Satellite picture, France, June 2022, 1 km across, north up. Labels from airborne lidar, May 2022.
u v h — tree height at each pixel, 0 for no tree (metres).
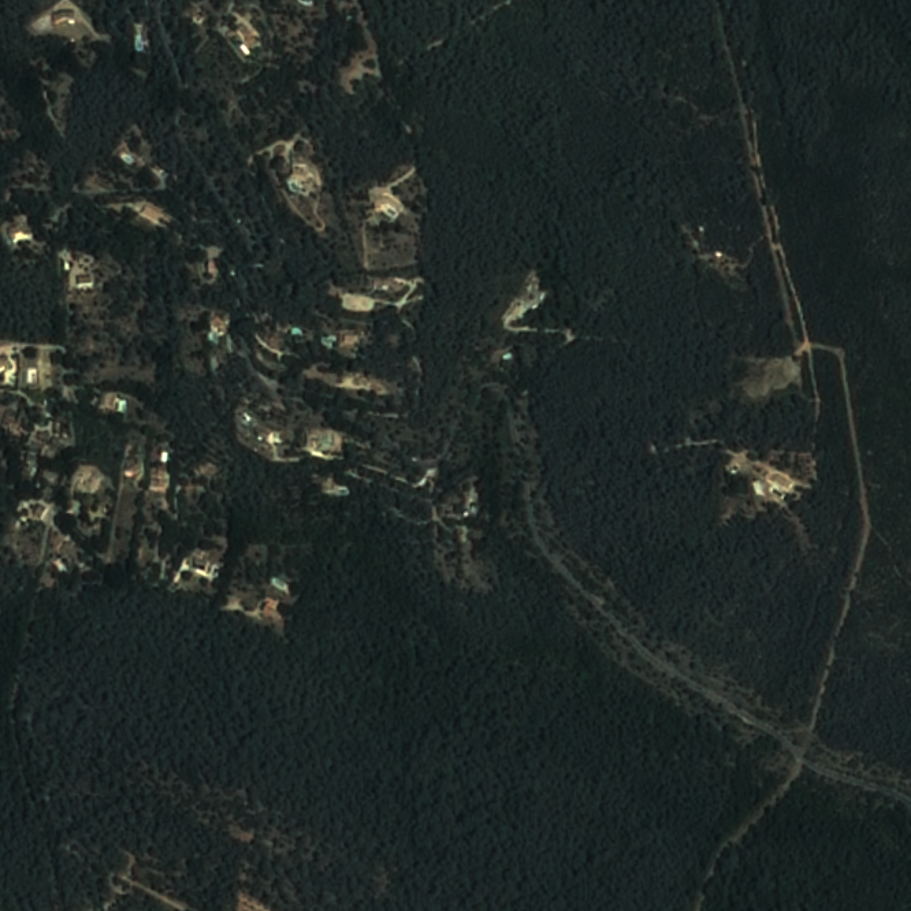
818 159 6
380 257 0
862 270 6
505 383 10
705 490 17
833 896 25
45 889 17
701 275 17
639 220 10
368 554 12
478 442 15
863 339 7
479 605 18
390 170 18
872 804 12
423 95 11
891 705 9
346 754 20
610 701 6
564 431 18
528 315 9
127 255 14
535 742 19
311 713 14
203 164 9
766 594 13
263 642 6
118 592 11
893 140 9
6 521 15
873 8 6
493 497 14
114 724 17
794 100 18
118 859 23
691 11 18
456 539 10
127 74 14
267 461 13
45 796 19
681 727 15
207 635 17
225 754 17
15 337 7
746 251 6
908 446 8
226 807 5
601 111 12
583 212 20
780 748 8
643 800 16
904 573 6
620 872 19
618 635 6
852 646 10
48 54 11
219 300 17
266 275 17
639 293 15
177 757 16
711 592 11
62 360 10
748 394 0
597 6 18
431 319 17
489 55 16
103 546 13
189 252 11
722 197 6
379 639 18
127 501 0
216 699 19
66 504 9
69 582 13
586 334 7
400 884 5
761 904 12
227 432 15
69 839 20
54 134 19
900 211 7
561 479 15
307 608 20
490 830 25
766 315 9
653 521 17
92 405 8
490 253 24
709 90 7
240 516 12
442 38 19
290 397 11
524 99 21
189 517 6
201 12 6
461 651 12
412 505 13
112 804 10
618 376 21
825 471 14
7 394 11
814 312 7
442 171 20
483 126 9
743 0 18
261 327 9
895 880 13
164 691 18
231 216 15
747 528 15
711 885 15
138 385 14
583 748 13
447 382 14
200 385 15
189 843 19
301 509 9
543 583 11
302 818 15
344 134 16
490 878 14
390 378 20
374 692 10
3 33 16
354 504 7
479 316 21
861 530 10
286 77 7
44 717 18
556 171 14
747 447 13
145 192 9
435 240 18
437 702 17
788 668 7
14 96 17
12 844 18
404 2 19
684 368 19
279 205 6
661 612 16
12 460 13
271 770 21
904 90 12
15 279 16
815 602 11
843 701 10
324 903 19
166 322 14
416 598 6
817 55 13
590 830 16
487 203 20
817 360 6
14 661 7
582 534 16
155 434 9
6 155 19
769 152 8
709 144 9
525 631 16
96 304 8
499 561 9
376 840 18
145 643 15
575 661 13
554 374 21
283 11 6
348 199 6
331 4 10
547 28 7
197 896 10
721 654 10
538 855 23
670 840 18
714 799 17
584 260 10
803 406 17
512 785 16
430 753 20
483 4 18
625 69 16
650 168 17
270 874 21
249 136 7
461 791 17
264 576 14
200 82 18
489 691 16
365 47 12
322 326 15
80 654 18
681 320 18
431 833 18
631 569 17
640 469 15
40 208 16
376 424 13
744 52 16
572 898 21
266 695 18
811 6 18
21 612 17
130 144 7
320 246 17
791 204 6
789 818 9
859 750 11
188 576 12
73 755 21
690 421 18
